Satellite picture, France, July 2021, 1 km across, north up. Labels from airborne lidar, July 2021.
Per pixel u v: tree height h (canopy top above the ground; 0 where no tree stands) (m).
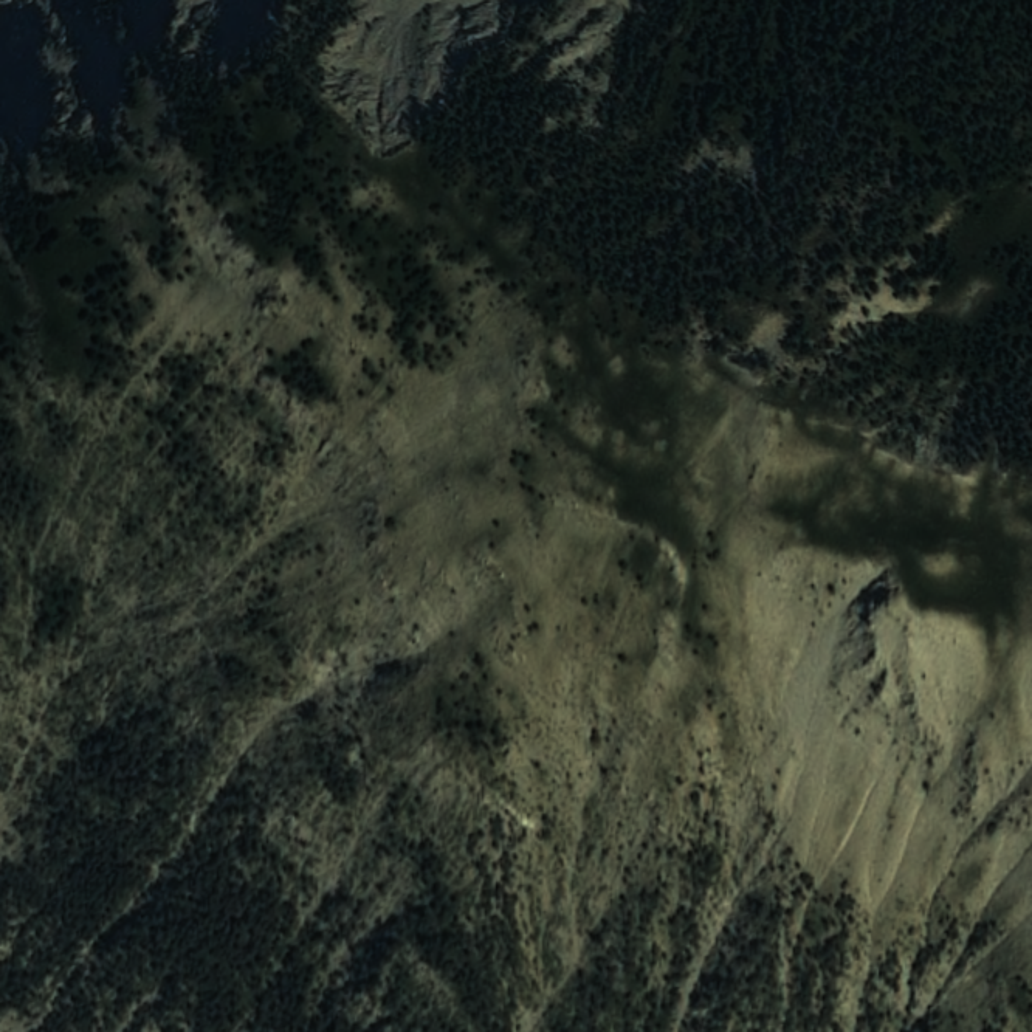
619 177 19
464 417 0
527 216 9
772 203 17
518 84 16
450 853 0
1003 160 7
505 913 12
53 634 8
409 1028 6
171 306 0
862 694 0
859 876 0
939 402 6
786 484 0
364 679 0
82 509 0
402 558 0
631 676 0
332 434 0
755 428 0
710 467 0
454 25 0
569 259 13
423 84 0
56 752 0
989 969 0
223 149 13
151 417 16
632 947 6
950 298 0
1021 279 21
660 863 0
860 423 0
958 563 0
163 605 0
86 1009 12
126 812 7
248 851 13
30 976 7
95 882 9
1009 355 15
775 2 11
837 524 0
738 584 0
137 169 0
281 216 7
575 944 0
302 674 0
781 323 0
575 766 0
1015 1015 0
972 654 0
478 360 0
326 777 7
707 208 18
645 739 0
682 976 7
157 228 0
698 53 19
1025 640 0
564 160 14
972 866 0
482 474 0
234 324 0
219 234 0
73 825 12
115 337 0
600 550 0
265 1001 14
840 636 0
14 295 0
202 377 8
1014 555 0
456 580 0
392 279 8
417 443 0
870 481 0
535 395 0
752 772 0
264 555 0
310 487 0
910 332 9
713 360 0
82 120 6
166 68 7
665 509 0
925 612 0
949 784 0
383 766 0
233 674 8
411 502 0
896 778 0
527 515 0
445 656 0
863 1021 8
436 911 11
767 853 0
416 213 0
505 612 0
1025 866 0
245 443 0
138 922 8
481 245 9
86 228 13
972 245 0
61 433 7
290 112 9
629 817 0
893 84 20
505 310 0
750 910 6
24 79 8
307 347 13
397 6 0
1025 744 0
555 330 0
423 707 0
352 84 0
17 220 18
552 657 0
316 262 8
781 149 15
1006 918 0
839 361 11
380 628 0
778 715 0
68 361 0
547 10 13
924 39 17
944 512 0
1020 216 0
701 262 7
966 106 14
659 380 0
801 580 0
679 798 0
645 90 18
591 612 0
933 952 7
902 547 0
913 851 0
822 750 0
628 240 14
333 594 0
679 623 0
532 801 0
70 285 9
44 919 7
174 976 6
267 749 0
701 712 0
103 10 9
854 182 11
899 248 22
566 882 0
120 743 16
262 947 14
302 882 6
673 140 15
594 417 0
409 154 0
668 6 19
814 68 12
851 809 0
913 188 21
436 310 11
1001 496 0
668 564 0
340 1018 7
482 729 9
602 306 0
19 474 13
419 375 0
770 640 0
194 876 12
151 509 0
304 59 6
